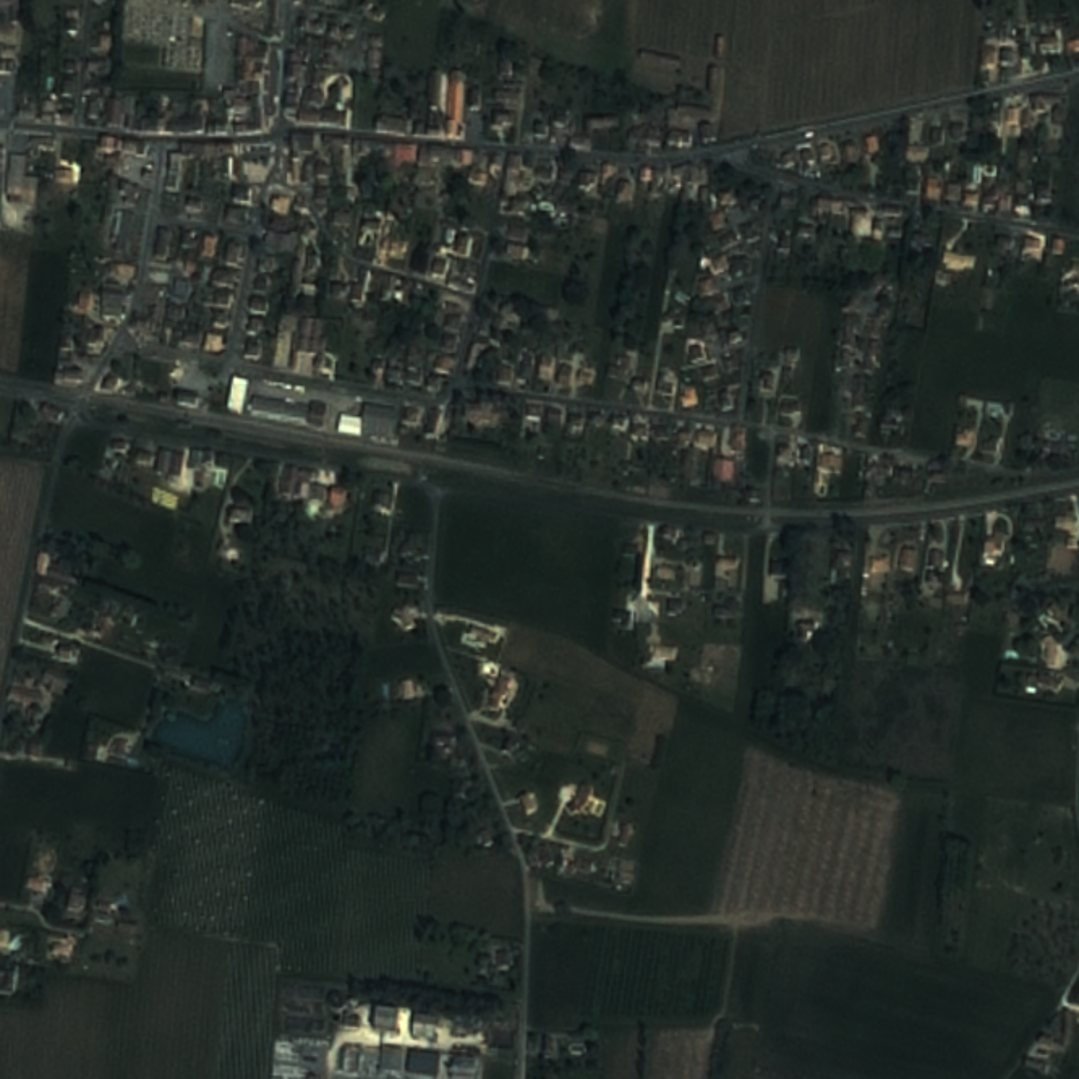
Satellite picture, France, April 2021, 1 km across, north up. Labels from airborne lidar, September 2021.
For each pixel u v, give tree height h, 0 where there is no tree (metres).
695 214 14
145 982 0
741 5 0
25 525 0
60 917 12
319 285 8
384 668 0
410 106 9
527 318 16
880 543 0
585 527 0
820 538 19
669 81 0
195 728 0
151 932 0
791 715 15
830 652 13
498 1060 0
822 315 0
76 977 0
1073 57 11
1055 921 9
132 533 0
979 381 0
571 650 0
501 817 15
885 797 0
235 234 0
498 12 0
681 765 0
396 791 0
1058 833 0
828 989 0
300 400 0
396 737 0
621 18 0
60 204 0
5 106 0
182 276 10
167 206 7
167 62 0
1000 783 0
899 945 0
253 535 11
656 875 0
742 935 0
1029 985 0
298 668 22
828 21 0
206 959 0
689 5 0
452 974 0
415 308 14
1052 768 0
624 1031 0
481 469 0
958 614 0
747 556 0
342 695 7
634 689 0
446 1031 0
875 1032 0
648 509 0
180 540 0
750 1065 0
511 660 0
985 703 0
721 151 0
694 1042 0
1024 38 6
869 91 0
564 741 0
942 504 0
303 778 6
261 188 0
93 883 17
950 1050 0
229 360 0
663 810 0
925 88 0
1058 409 0
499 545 0
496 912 0
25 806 0
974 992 0
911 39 0
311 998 0
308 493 0
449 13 0
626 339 9
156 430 0
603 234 0
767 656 0
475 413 0
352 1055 0
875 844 0
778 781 0
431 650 0
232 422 0
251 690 10
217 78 0
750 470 0
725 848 0
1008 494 0
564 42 0
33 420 13
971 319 0
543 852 0
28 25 17
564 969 0
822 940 0
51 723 9
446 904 0
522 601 0
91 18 0
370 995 15
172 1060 0
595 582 0
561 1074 12
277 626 21
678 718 0
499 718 0
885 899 0
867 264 10
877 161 9
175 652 13
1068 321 0
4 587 0
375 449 0
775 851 0
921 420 0
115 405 0
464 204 7
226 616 0
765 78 0
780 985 0
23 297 0
